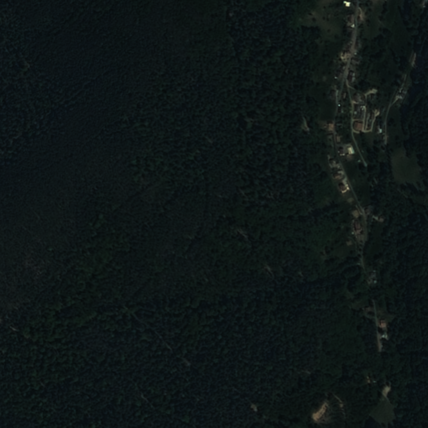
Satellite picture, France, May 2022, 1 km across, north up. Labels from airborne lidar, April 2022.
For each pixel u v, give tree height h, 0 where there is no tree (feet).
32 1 36
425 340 47
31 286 51
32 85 33
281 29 77
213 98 94
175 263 79
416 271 129
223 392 105
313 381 89
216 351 97
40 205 55
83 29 61
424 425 102
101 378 101
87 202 69
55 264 70
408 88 0
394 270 20
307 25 0
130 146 91
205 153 95
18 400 89
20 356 79
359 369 95
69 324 101
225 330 102
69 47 54
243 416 81
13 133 33
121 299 89
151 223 75
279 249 100
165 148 104
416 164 0
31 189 64
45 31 38
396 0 0
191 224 77
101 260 83
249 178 123
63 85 52
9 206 56
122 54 74
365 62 22
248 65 109
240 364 105
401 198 68
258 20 105
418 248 109
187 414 87
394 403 47
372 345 88
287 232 75
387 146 28
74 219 68
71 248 68
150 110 86
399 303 59
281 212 92
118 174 72
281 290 74
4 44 33
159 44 68
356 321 68
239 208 93
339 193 0
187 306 21
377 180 65
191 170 95
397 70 0
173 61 78
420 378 113
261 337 103
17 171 60
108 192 74
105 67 73
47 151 70
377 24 0
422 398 104
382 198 70
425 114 97
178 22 69
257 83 76
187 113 100
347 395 57
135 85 70
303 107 88
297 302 76
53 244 64
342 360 92
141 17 70
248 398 97
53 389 85
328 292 81
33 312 95
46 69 47
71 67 62
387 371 55
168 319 99
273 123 103
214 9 65
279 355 94
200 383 108
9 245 58
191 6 64
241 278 109
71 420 95
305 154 81
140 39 73
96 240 101
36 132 81
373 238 44
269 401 69
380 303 33
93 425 78
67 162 68
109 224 94
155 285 76
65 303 83
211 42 77
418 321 56
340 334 84
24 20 50
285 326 116
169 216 88
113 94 72
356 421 31
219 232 67
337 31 0
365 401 64
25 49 33
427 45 85
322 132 34
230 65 43
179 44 69
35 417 89
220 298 80
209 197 87
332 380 88
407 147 68
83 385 86
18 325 69
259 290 85
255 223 49
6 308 64
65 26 51
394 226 74
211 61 72
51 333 103
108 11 66
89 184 74
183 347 67
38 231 64
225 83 76
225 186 74
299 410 55
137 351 111
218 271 84
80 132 57
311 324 88
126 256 92
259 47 102
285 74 96
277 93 118
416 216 65
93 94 53
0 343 37
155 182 71
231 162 70
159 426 94
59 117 58
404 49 0
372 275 0
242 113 32
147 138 85
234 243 103
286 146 25
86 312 95
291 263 108
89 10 60
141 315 101
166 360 103
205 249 83
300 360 93
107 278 98
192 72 81
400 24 0
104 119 51
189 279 64
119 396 103
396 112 0
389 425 0
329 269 49
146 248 89
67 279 78
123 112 65
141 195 58
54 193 69
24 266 69
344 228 0
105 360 96
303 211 81
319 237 79
